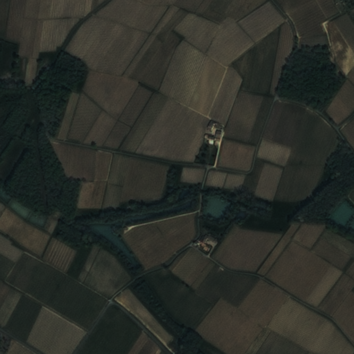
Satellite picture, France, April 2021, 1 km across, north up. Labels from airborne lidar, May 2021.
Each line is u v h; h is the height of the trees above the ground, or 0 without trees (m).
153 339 0
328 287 0
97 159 0
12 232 0
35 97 9
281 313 0
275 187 0
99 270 0
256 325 0
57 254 0
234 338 0
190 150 0
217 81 0
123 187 0
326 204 23
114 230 12
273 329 0
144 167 0
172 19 0
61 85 17
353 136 0
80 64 16
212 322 0
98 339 0
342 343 0
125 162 0
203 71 0
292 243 0
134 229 0
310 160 0
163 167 0
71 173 0
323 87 22
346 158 17
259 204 20
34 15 0
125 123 0
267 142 0
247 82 0
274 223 0
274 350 0
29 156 21
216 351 0
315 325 0
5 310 0
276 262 0
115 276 0
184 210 10
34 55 0
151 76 0
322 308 0
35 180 18
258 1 0
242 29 0
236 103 0
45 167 18
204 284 0
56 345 0
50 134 18
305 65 19
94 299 0
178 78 0
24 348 0
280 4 0
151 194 0
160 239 0
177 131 0
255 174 0
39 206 22
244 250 0
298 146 0
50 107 20
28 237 0
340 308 0
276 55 0
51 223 0
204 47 0
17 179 19
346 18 0
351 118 0
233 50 0
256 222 0
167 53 0
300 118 0
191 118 0
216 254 0
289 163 0
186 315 0
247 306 0
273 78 0
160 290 0
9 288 0
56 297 0
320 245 0
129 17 0
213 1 0
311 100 15
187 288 12
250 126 0
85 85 0
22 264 0
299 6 0
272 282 0
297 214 18
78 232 20
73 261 0
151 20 0
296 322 0
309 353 0
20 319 0
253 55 0
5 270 0
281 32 0
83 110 0
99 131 0
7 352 20
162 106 0
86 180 14
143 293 15
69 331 0
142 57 0
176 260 0
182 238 0
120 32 0
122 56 0
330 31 0
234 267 0
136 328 0
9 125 9
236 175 0
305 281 0
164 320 14
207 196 12
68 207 19
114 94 0
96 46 0
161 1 0
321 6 0
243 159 0
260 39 0
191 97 0
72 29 0
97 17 0
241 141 0
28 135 18
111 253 0
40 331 0
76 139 0
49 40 0
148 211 11
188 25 0
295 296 0
